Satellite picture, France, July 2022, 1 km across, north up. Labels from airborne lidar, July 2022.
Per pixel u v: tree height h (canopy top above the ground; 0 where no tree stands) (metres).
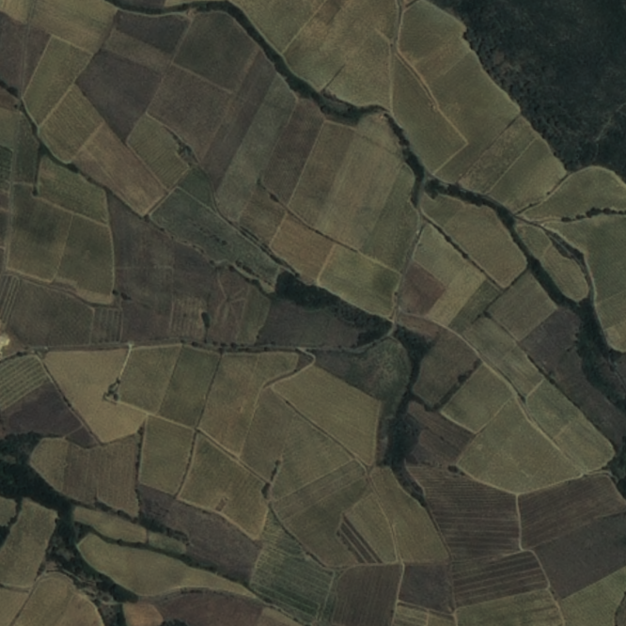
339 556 0
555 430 0
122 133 0
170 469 0
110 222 0
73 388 0
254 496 0
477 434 0
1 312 0
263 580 0
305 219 0
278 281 6
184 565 0
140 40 0
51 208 0
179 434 0
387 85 0
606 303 0
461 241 0
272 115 0
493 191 0
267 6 0
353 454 0
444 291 0
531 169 0
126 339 0
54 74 0
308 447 0
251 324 0
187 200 0
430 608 0
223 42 0
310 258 0
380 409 0
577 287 0
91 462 0
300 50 0
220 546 0
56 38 0
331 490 0
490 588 0
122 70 0
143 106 0
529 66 5
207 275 0
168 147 0
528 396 0
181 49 0
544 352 0
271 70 0
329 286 0
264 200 0
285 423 0
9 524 7
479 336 0
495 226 0
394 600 0
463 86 0
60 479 0
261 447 0
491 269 0
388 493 0
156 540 0
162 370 0
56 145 0
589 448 0
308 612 0
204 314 6
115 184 0
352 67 0
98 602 8
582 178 0
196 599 0
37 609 0
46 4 0
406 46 0
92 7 0
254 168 0
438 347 0
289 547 0
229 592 0
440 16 0
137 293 0
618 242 0
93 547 0
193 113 0
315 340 0
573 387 0
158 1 0
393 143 0
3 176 0
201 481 0
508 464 0
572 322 0
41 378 0
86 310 0
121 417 0
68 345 0
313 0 0
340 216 0
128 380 0
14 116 0
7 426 0
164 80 0
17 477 14
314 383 0
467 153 0
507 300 0
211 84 0
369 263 0
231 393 0
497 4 6
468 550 0
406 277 0
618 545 0
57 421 0
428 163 0
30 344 0
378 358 0
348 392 0
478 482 0
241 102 0
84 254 0
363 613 0
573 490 0
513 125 0
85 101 0
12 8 0
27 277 0
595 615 0
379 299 0
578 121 7
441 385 0
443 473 0
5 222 0
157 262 0
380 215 0
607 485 0
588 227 0
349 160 0
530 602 0
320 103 7
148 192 0
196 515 0
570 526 0
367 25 0
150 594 0
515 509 0
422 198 0
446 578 0
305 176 0
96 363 0
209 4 7
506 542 0
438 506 0
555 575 0
